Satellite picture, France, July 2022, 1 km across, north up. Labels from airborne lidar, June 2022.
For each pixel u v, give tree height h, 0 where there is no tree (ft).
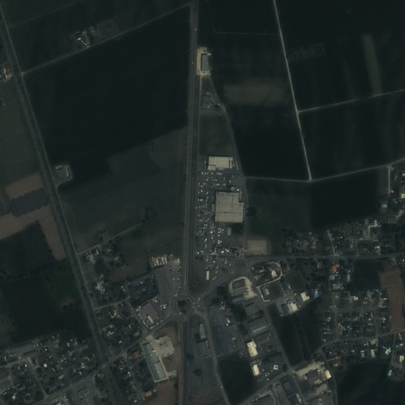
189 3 0
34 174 0
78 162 0
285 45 0
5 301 0
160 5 0
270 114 0
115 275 0
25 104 0
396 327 0
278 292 0
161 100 0
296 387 0
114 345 30
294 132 0
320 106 0
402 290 0
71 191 0
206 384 0
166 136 0
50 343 0
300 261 23
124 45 0
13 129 0
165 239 0
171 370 0
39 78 0
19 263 0
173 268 0
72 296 0
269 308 0
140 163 0
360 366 0
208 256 0
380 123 0
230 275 0
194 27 0
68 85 0
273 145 0
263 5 0
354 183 0
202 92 0
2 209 0
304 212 0
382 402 0
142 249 0
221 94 0
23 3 0
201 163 0
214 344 0
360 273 0
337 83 0
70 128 0
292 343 0
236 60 0
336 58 0
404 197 0
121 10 0
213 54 0
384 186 0
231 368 0
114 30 0
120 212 0
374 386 0
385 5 0
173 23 0
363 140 0
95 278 0
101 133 0
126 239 0
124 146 0
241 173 0
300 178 0
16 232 0
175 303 0
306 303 0
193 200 0
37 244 0
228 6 0
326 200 0
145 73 0
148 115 0
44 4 0
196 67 0
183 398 0
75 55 0
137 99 0
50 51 0
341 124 0
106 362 0
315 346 0
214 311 0
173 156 0
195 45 0
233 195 0
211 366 0
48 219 0
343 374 0
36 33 0
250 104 0
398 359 0
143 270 0
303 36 0
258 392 0
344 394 0
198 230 0
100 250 0
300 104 0
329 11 0
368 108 0
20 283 0
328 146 0
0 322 0
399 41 0
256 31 0
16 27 0
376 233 0
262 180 0
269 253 0
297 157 0
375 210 0
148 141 0
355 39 0
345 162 0
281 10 0
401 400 0
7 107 0
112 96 0
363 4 0
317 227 0
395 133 0
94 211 0
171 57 0
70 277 0
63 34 0
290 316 0
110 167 0
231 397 0
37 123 0
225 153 0
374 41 0
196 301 0
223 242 0
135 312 0
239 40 0
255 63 0
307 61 0
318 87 0
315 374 0
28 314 0
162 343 0
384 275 0
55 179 0
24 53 0
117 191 0
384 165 0
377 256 0
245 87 0
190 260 0
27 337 0
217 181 0
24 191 0
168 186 0
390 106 0
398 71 0
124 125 0
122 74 0
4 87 0
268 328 0
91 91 0
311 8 0
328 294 0
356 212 0
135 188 0
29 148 0
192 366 0
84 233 0
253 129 0
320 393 0
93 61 0
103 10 0
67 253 0
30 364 0
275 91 0
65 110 0
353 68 0
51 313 0
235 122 0
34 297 0
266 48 0
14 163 0
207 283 0
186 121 0
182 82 0
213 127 0
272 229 0
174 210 0
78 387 0
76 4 0
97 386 19
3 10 0
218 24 0
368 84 0
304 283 0
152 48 0
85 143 0
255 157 0
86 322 24
